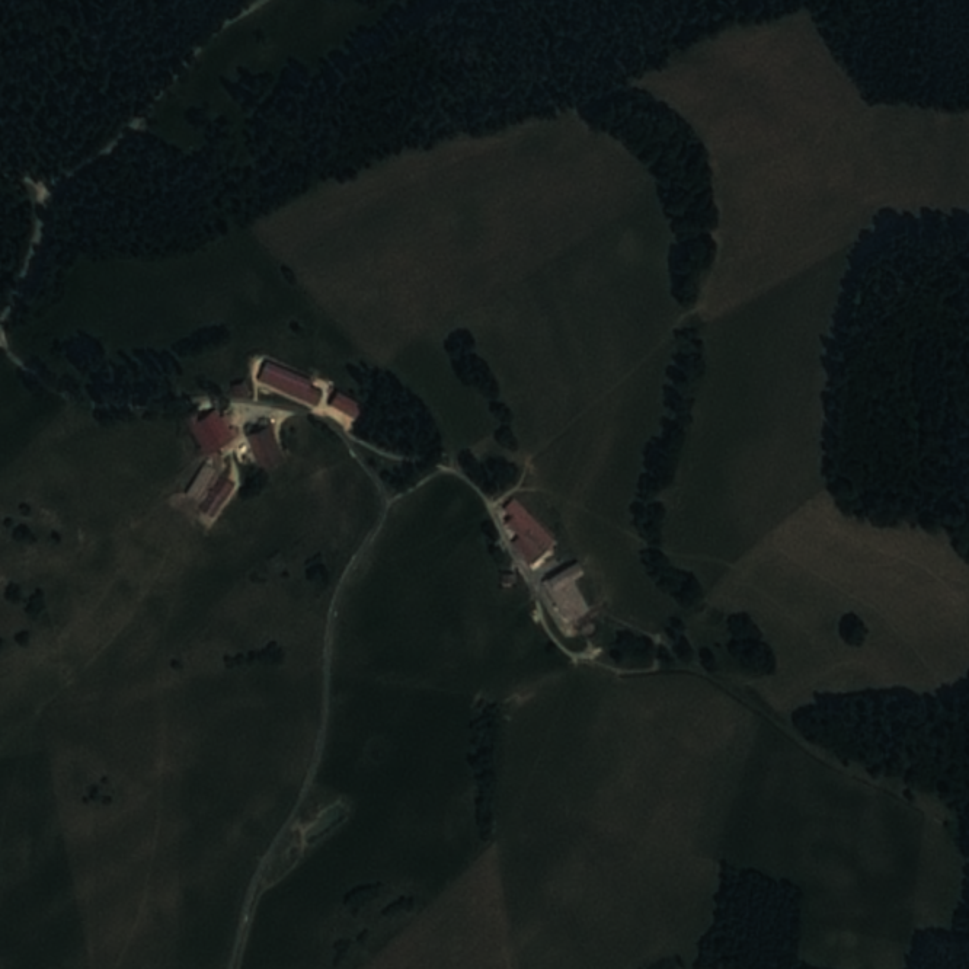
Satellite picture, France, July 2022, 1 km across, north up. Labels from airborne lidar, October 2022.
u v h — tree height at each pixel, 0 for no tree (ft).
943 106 48
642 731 0
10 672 0
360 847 0
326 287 0
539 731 0
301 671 0
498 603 0
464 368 73
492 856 0
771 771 0
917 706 108
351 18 0
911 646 0
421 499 0
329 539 0
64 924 0
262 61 0
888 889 0
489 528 43
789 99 0
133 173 46
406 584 0
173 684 0
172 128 0
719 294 0
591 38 116
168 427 0
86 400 80
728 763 0
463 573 0
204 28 93
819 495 0
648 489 41
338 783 0
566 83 120
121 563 0
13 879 0
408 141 76
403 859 0
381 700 0
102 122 48
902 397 20
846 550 0
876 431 26
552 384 0
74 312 0
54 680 0
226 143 50
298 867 0
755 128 0
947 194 0
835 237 0
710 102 0
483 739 21
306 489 0
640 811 0
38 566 0
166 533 0
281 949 0
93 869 0
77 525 0
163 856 0
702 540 0
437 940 0
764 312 0
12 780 0
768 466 0
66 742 0
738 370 0
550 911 0
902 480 22
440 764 0
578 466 0
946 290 36
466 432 0
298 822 0
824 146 0
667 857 0
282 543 0
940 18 105
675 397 80
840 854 0
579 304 0
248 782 0
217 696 0
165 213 57
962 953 74
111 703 0
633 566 0
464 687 0
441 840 0
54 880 0
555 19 123
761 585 0
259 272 0
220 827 0
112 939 0
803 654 0
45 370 102
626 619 0
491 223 0
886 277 32
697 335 25
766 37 0
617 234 0
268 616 0
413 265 0
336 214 0
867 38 62
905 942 0
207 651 0
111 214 79
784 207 0
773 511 0
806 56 0
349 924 0
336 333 0
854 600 0
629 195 0
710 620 0
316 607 0
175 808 0
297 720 0
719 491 0
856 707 28
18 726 0
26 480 0
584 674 0
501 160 0
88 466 0
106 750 0
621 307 0
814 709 37
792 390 0
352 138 49
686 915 0
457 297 0
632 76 28
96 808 0
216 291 0
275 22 0
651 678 0
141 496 0
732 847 0
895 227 111
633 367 0
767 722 0
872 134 0
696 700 0
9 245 26
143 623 0
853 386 31
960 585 0
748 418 0
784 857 0
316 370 0
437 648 0
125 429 0
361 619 0
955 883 0
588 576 0
